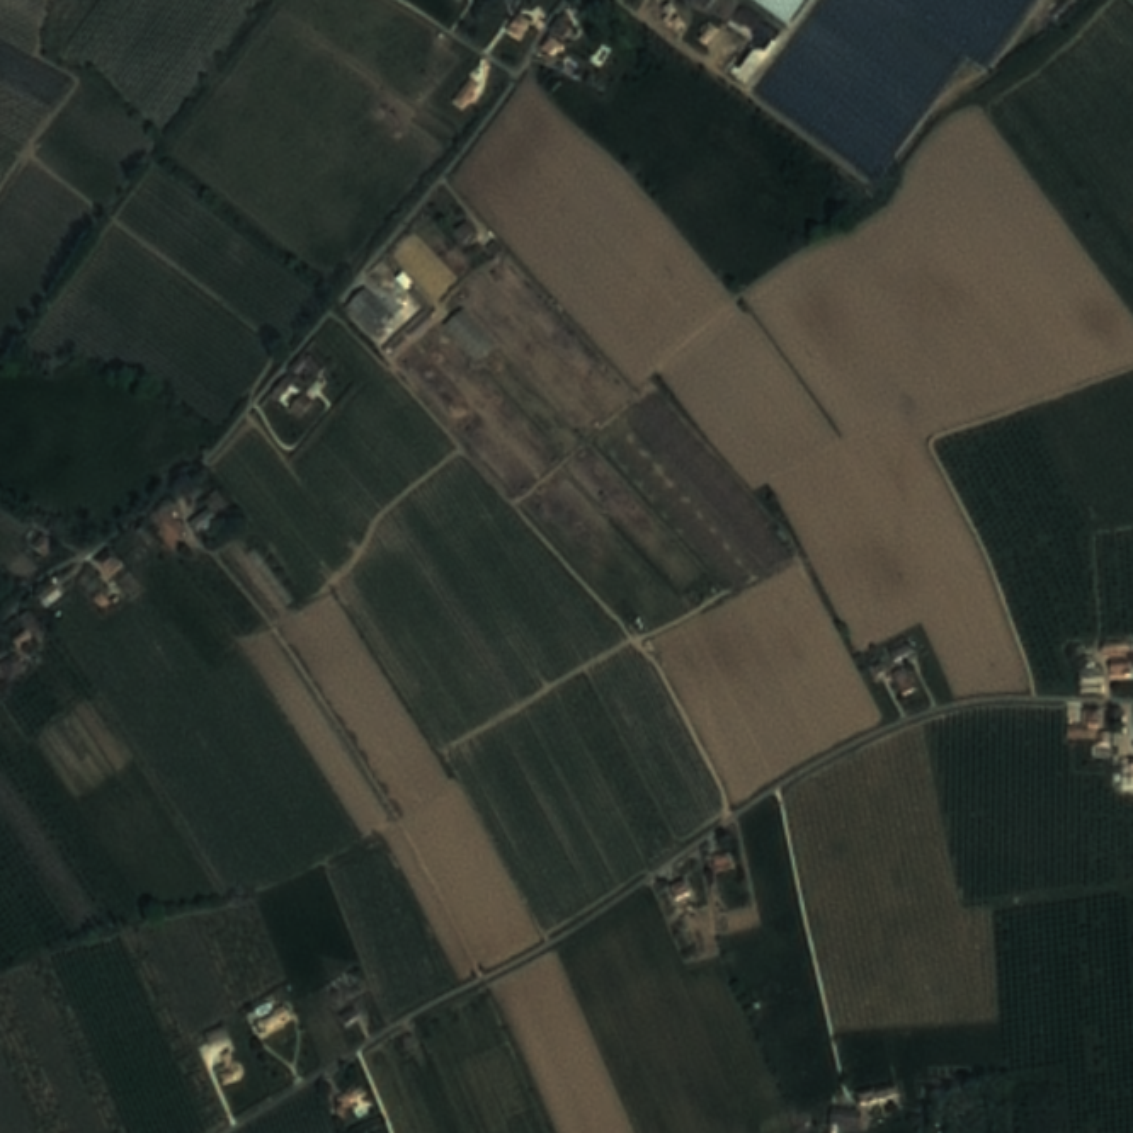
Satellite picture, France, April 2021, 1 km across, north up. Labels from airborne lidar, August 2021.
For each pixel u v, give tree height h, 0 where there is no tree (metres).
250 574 0
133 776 0
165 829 0
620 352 0
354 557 0
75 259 22
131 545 0
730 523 0
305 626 0
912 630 0
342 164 0
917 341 0
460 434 0
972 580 0
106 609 6
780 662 0
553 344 0
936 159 0
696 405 0
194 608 0
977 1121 15
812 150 9
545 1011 0
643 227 0
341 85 0
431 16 0
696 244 0
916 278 0
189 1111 5
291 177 0
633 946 0
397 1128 0
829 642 0
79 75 9
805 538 0
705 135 0
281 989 0
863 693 0
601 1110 0
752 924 0
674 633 0
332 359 7
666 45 11
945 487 0
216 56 8
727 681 0
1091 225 12
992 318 0
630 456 0
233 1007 0
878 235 0
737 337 0
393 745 0
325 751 0
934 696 0
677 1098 0
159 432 0
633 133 0
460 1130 0
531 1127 0
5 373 12
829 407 0
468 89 0
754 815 0
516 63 8
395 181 0
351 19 0
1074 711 0
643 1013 0
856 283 0
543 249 0
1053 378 0
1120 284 0
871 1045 0
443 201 0
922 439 0
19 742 0
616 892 0
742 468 0
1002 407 0
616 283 0
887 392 0
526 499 0
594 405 0
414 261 0
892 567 0
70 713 0
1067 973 5
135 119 9
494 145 0
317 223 0
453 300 0
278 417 0
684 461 0
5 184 0
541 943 0
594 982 0
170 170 7
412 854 0
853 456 0
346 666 0
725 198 0
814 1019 0
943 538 0
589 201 0
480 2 8
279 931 0
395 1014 0
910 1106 0
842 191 17
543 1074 0
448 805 0
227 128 0
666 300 0
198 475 12
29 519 6
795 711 0
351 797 0
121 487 0
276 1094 0
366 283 0
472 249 9
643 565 0
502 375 0
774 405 0
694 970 0
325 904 0
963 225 0
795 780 0
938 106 0
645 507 0
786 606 0
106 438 0
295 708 0
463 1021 0
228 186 0
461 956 0
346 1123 8
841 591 0
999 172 0
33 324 20
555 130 0
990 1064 0
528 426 0
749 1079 0
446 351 0
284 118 0
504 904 0
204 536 12
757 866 0
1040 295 0
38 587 8
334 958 0
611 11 25
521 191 0
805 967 0
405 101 0
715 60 0
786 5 0
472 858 0
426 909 0
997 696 0
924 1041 0
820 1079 0
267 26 0
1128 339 0
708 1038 0
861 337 0
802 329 0
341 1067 8
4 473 0
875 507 0
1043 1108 7
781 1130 0
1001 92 0
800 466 0
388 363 0
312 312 13
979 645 0
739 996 11
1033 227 0
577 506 0
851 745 0
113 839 0
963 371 0
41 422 0
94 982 6
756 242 0
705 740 0
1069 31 8
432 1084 0
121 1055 6
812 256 0
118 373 13
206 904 12
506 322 0
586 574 0
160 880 0
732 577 0
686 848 0
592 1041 0
